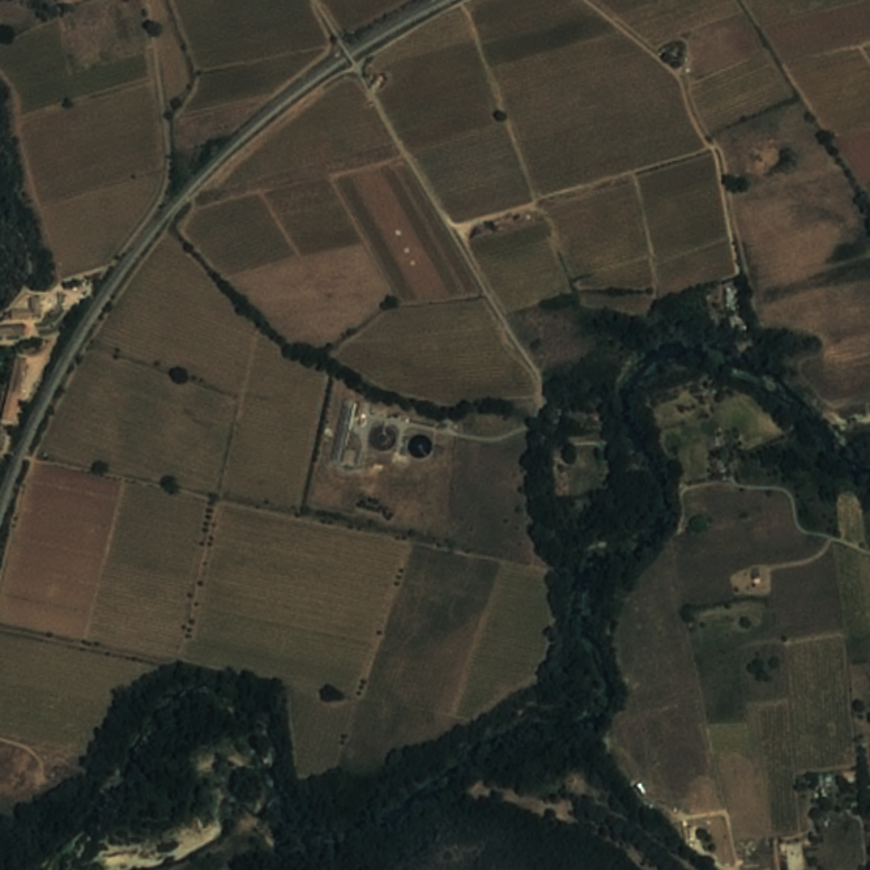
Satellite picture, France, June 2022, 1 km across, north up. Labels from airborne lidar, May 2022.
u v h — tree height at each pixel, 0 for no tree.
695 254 0
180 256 0
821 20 0
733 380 18
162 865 0
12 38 17
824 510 0
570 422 11
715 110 0
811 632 0
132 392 0
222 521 0
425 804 19
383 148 0
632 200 0
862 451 19
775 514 0
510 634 0
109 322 0
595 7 0
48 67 0
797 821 0
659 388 7
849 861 0
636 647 0
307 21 0
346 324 0
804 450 7
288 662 0
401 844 8
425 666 0
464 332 0
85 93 0
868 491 10
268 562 0
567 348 0
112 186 0
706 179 0
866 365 0
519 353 0
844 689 0
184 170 0
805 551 0
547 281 0
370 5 0
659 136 0
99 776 22
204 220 0
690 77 0
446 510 0
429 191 0
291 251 0
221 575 0
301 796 21
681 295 9
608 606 10
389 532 0
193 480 0
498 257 0
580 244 0
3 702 0
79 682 0
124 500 0
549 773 13
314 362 15
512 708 7
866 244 0
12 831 16
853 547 0
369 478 0
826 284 0
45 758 0
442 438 0
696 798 0
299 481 0
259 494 0
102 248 0
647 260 0
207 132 0
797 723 0
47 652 0
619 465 22
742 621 7
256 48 0
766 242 0
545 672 10
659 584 0
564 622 16
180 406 0
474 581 0
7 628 0
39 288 6
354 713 0
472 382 0
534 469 23
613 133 0
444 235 0
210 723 27
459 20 0
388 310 9
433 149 0
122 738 21
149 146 0
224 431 0
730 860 0
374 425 0
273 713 31
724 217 0
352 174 0
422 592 0
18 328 0
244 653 0
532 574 0
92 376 0
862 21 0
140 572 0
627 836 18
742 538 0
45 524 0
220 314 0
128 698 17
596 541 16
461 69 0
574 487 0
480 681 0
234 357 0
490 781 13
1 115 9
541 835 13
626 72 0
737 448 6
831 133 14
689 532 7
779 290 0
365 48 0
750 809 0
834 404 0
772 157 0
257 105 0
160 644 0
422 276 0
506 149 0
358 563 0
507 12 0
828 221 0
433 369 0
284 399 0
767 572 0
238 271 0
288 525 0
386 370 0
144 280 0
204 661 0
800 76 0
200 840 0
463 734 14
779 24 0
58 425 0
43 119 0
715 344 24
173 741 15
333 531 0
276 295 0
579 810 13
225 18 0
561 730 20
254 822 0
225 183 0
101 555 0
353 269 0
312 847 26
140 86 0
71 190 0
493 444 0
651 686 0
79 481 0
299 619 0
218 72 0
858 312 0
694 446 0
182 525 0
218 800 0
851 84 0
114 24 0
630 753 0
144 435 0
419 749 12
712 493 0
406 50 0
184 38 0
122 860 0
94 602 0
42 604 0
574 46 0
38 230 7
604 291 6
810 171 0
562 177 0
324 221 0
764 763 0
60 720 0
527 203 0
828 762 0
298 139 0
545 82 0
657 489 26
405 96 0
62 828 22
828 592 0
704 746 0
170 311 0
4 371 11
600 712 18
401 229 0
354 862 20
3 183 7
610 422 15
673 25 0
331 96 0
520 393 0
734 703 0
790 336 14
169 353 0
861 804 8
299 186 0
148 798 7
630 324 15
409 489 0
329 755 0
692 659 0
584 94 0
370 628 0
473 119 0
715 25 0
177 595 0
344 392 0
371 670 0
